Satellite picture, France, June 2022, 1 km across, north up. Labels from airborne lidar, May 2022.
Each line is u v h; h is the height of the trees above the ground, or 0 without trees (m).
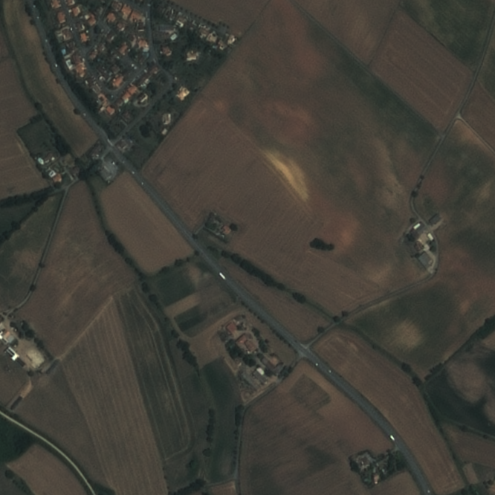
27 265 0
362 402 0
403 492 0
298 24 0
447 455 0
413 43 0
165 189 0
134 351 0
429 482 0
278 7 0
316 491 0
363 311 0
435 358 0
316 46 0
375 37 0
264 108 0
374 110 0
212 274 0
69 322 0
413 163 0
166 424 0
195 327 0
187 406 0
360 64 0
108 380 0
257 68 0
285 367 10
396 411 0
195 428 0
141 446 0
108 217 0
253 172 0
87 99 12
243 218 0
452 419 0
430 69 0
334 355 0
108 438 0
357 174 0
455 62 0
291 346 7
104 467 0
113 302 0
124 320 0
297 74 0
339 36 0
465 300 0
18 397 0
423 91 0
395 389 0
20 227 11
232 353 8
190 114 0
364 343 0
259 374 0
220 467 0
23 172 0
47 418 0
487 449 0
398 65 0
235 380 0
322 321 0
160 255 0
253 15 0
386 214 0
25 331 11
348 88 0
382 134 0
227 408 0
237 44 0
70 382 0
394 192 0
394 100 0
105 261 0
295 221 0
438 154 0
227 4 0
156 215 0
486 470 0
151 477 0
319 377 0
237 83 0
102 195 0
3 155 0
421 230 0
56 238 0
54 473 0
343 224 0
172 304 0
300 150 0
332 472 0
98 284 0
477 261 0
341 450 0
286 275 0
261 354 8
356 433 0
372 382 0
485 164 0
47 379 0
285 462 0
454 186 0
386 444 0
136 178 0
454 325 0
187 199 0
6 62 0
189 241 0
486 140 0
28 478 0
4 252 0
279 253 0
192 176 0
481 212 0
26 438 10
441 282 0
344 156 0
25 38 0
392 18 0
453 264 0
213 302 0
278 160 0
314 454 0
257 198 0
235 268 0
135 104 0
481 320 0
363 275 0
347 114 0
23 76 0
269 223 0
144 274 15
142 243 0
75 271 0
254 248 0
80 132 0
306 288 0
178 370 0
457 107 0
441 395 0
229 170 0
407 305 0
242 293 0
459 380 0
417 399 0
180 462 0
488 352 0
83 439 0
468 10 0
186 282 0
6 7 0
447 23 0
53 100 0
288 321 0
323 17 0
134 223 0
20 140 0
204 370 0
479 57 0
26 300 0
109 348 0
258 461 0
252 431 0
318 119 0
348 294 0
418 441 0
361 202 0
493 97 0
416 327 0
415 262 0
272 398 0
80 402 0
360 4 0
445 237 0
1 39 0
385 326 0
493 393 0
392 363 0
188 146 0
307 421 0
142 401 0
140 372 0
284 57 0
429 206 0
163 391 0
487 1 0
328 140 0
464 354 0
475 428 0
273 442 0
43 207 0
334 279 0
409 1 0
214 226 9
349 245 0
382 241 0
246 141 0
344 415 0
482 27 0
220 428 0
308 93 0
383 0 0
